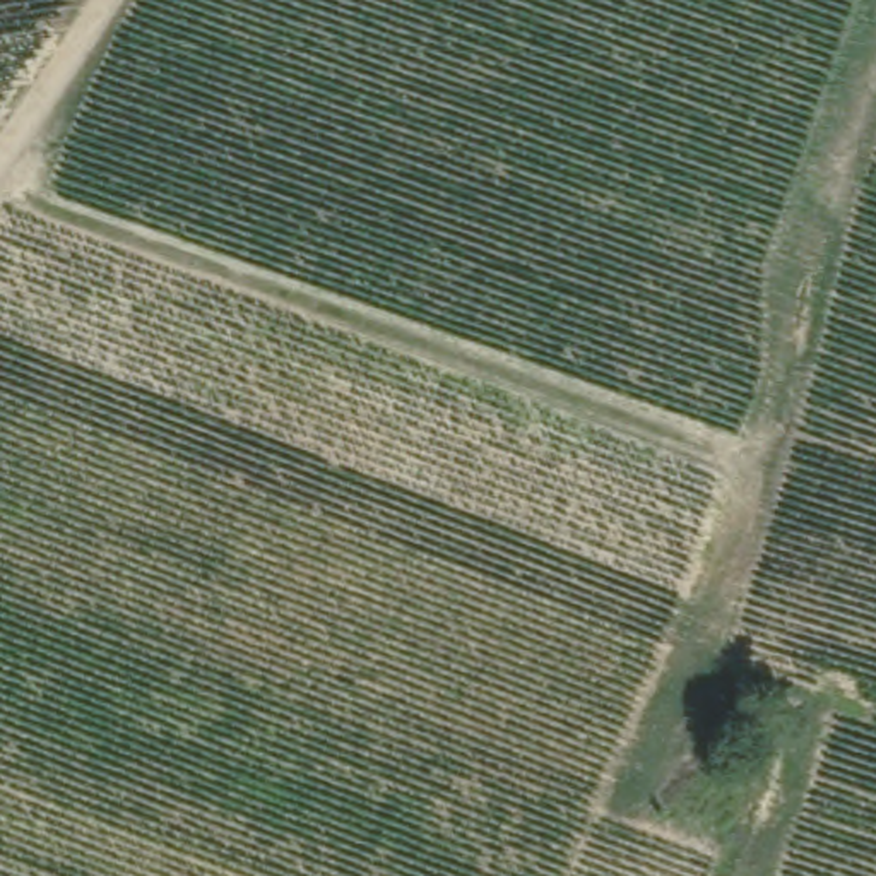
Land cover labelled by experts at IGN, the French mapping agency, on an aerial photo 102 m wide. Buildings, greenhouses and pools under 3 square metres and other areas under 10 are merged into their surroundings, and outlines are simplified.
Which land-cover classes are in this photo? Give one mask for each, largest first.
<instances>
[{"label":"vineyard","instance_id":"1","mask_svg":"<svg viewBox=\"0 0 876 876\"><path fill-rule=\"evenodd\" d=\"M65 0H0V99L7 96L10 79L27 65V58H34V51L48 38L38 21H51ZM852 0H123L113 24L103 31V38L82 62L79 75L72 79V86L41 127V185L17 202H3L7 222L0 226V876H719L722 852L715 842L688 835L671 821L654 818L616 811L609 801L619 770L626 767V753L640 736L643 712L667 674L671 643H660V633L674 609V599H691L695 585L705 575V544L712 541L722 520L708 506V496L725 500L739 482L736 472L749 465L732 431L743 424V414L753 404V383L760 373L763 253L773 236V222L784 209V195L794 181L808 120L832 68V51L838 44V31ZM862 202L852 233L842 229L838 219L825 226L828 243L821 257V274L814 281L811 329L804 342V356L818 366V376L811 387L804 431L794 445V469L773 513L739 633L743 640H749L753 660L767 664L794 688L814 695L835 688L842 691L838 705L818 715V732L804 777L814 787L811 808H804L801 814L804 825H797L794 832L790 862L784 876H876V164L859 178Z\"/></svg>","mask_w":876,"mask_h":876},{"label":"herbaceous vegetation","instance_id":"2","mask_svg":"<svg viewBox=\"0 0 876 876\"><path fill-rule=\"evenodd\" d=\"M876 164V0H852L838 31V44L832 51V68L808 120L794 181L784 195V209L773 222V236L763 253L760 373L753 383V404L743 414V424L732 431L749 465L736 472L739 482L725 500L708 496V506L722 520L712 541L705 544V575L695 585L691 599H674V609L660 633V643H671L667 674L643 712L640 736L626 753V767L619 770L609 801L616 811L654 818L660 808L674 804L681 787L701 777L698 763H708L712 746L722 736V725L739 708V698L763 688H784L787 708L760 722V729L773 743L767 790L760 794V801L739 808L736 828L729 835H719L715 842L722 852L719 876H784L790 862L794 832L797 825H804L801 814L804 808H811L814 787L804 777L818 732V715L838 705L842 691L835 688L814 695L794 688L767 664L753 660L749 640H743L739 633L773 513L794 469V445L804 431L811 387L818 376V366L804 356V342L811 329L814 281L821 274V257L828 243L825 226L838 219L842 229L852 233L862 202L859 178Z\"/></svg>","mask_w":876,"mask_h":876},{"label":"pervious surface","instance_id":"3","mask_svg":"<svg viewBox=\"0 0 876 876\"><path fill-rule=\"evenodd\" d=\"M123 0H65L51 21H38L48 38L34 51V58H27V65L10 79L7 96L0 99V226L7 222L3 202H17L41 185V127L72 86V79L79 75L82 62L103 38V31L113 24Z\"/></svg>","mask_w":876,"mask_h":876},{"label":"deciduous trees","instance_id":"4","mask_svg":"<svg viewBox=\"0 0 876 876\"><path fill-rule=\"evenodd\" d=\"M787 708L784 688H763L739 698V708L722 725V736L712 746L708 763H698L701 777L681 787L674 804L660 808L654 818L671 821L688 835L715 842L719 835H729L736 828L739 808L760 801V794L767 790L773 743L760 729V722Z\"/></svg>","mask_w":876,"mask_h":876}]
</instances>
